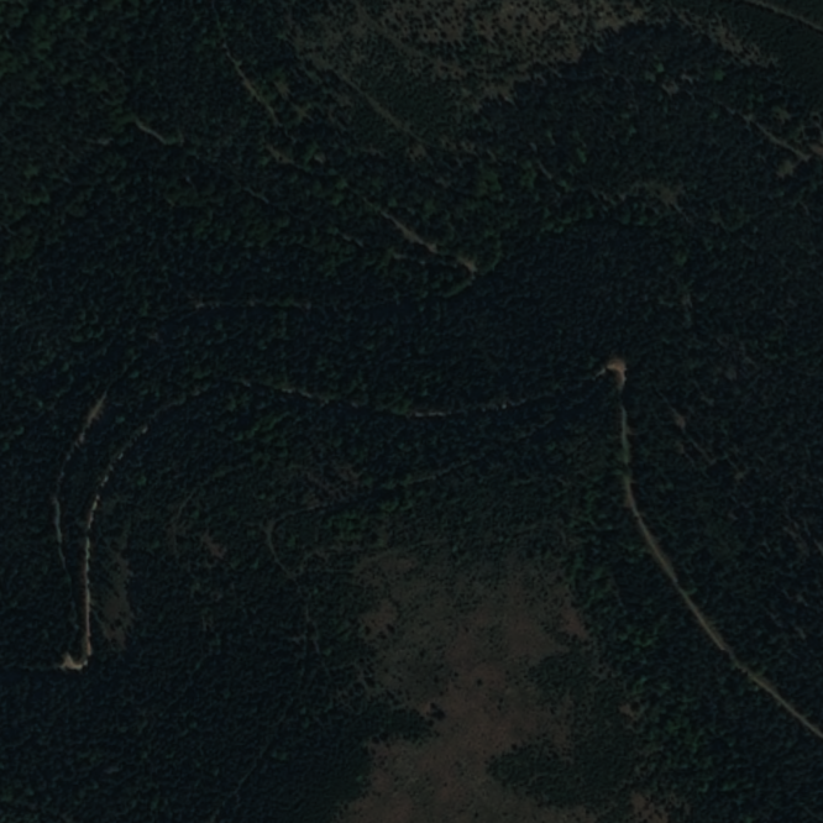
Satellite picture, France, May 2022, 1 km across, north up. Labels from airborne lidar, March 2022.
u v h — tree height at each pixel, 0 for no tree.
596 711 6
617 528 33
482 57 7
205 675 22
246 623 15
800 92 11
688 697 26
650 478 26
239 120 24
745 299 21
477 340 29
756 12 13
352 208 28
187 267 24
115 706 28
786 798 17
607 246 22
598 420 21
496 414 8
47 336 20
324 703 16
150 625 20
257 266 17
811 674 28
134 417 13
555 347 30
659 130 28
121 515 11
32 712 32
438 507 9
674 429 14
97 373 30
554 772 7
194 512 11
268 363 35
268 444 7
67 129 27
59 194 27
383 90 9
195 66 26
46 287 32
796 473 18
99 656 17
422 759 0
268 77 23
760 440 37
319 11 8
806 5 7
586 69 28
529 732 0
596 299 27
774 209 24
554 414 8
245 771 18
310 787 13
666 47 26
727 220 15
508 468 32
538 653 0
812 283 27
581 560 11
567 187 18
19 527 31
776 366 24
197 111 22
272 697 21
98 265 23
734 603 42
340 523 16
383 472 15
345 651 6
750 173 21
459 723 0
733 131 24
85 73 32
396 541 6
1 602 37
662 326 29
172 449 17
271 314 23
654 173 26
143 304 26
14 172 30
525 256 26
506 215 31
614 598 7
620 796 6
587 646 7
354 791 6
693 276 20
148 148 27
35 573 32
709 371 26
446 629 0
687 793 10
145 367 23
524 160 22
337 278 22
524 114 30
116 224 28
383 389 29
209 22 27
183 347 26
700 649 31
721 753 30
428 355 24
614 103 29
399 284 28
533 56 8
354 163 30
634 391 27
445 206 29
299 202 28
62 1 34
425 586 0
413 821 0
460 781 0
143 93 32
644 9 6
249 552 8
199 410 20
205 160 17
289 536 13
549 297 24
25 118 32
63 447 25
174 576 14
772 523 21
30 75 28
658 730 15
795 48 10
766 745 25
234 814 16
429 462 7
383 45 8
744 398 22
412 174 32
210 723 17
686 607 19
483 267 23
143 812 26
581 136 26
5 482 28
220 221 33
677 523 25
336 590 8
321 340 25
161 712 24
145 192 36
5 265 22
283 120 26
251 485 6
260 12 30
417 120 6
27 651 25
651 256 19
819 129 7
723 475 20
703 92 21
